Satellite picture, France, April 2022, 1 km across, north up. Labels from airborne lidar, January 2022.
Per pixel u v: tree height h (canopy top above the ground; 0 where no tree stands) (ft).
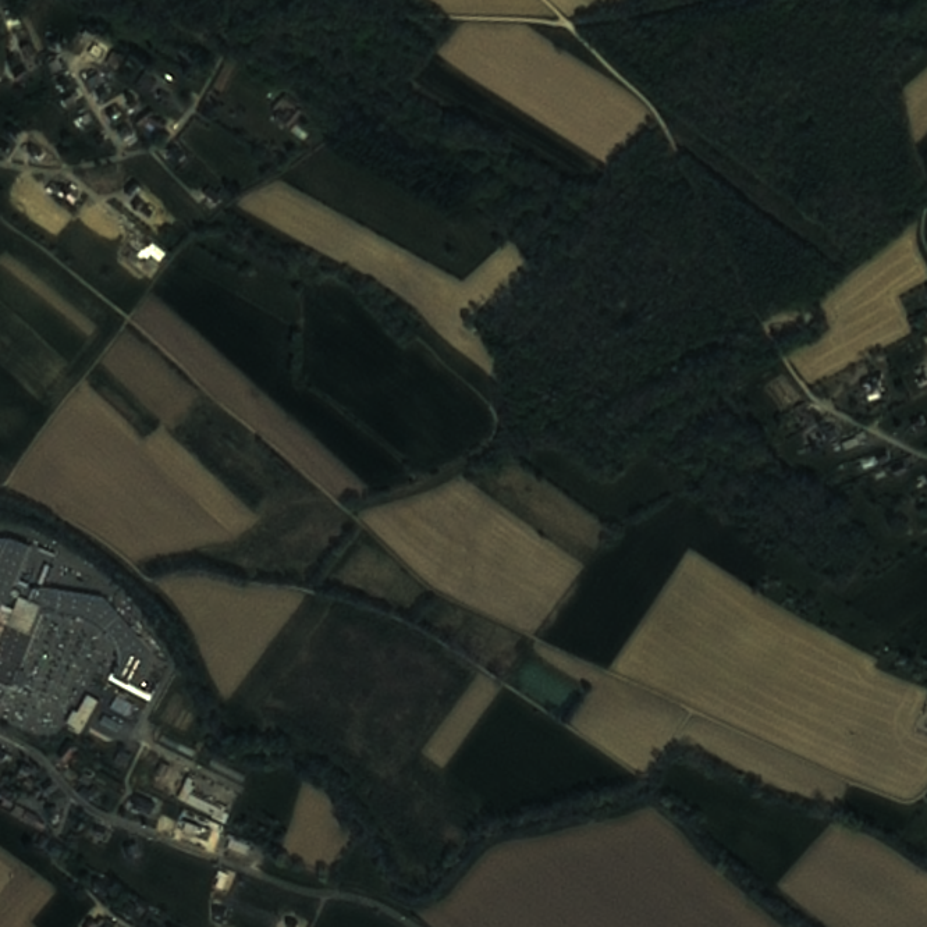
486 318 63
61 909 0
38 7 0
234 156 0
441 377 0
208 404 0
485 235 0
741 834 0
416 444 0
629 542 0
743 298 49
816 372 0
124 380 0
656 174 51
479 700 0
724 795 0
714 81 85
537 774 0
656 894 0
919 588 0
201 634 0
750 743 0
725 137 66
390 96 84
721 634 0
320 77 87
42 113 0
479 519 0
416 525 0
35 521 60
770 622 0
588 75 0
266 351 0
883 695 0
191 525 0
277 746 63
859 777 0
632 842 0
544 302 91
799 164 60
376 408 0
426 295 0
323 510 0
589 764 0
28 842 44
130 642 0
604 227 91
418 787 0
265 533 0
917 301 0
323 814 0
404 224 0
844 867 0
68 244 0
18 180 0
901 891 0
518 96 0
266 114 0
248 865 0
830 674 0
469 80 0
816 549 78
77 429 0
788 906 42
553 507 0
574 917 0
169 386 0
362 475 0
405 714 0
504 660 0
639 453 79
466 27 0
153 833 0
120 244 0
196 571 72
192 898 0
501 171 43
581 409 67
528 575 0
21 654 0
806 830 0
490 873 0
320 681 0
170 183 0
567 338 85
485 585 0
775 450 80
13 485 0
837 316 0
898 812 0
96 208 0
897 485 0
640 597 0
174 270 0
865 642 0
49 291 0
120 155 0
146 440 0
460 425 0
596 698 0
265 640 0
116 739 0
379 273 0
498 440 34
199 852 0
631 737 0
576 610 0
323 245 0
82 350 0
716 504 67
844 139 60
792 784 0
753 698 0
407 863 0
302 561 0
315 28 104
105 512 0
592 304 93
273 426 0
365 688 0
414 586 0
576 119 0
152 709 0
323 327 0
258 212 0
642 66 57
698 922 0
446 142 95
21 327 0
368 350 0
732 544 0
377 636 0
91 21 58
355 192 0
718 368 69
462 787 0
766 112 71
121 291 0
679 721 0
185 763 0
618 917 0
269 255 41
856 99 64
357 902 0
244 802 0
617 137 0
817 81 62
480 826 59
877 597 0
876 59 67
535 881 0
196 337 0
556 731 0
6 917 0
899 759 0
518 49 0
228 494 0
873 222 71
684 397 91
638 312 74
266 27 86
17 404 0
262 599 0
